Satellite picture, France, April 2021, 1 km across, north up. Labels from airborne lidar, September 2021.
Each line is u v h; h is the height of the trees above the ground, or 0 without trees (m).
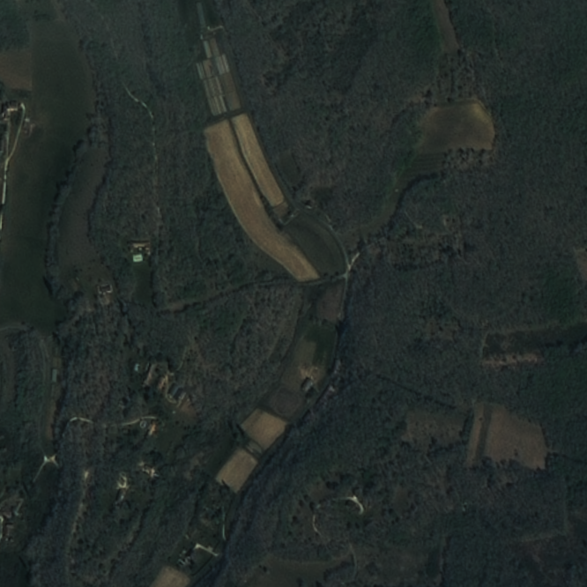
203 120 16
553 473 16
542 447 0
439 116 0
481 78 15
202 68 0
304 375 0
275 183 0
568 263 18
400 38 17
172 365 16
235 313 19
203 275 6
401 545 13
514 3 13
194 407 15
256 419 0
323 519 11
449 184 14
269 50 11
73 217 0
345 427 17
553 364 21
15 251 0
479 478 18
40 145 0
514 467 18
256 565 12
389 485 15
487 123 0
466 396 16
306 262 0
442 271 18
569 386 19
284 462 15
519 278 15
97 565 9
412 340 15
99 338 14
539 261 16
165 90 11
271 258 0
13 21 14
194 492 12
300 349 0
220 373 13
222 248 16
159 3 17
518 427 0
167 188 12
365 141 14
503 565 24
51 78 0
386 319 13
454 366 14
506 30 14
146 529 19
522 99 15
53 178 0
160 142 13
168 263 11
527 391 20
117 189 15
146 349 12
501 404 15
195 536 0
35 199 0
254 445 0
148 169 11
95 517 13
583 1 18
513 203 15
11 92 0
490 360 9
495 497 15
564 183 16
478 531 19
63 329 13
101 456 14
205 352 18
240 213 0
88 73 0
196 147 13
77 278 0
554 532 20
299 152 12
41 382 13
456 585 17
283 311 15
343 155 15
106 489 16
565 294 17
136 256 0
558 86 18
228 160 0
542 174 17
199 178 20
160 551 18
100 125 9
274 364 11
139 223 15
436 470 13
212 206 11
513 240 16
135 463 19
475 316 18
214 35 0
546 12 12
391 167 19
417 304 17
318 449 17
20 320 0
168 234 10
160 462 15
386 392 14
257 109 13
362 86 13
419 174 0
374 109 10
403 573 0
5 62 0
